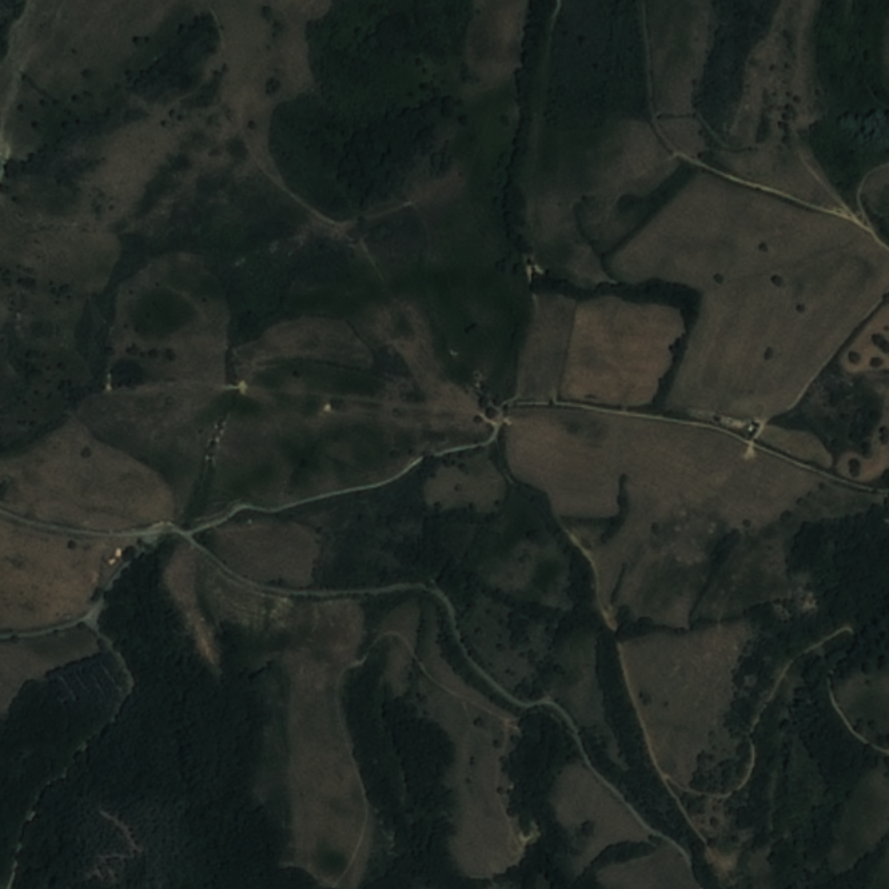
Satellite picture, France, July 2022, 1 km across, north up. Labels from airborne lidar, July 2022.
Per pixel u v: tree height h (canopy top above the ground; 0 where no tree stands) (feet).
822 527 26
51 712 39
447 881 37
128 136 0
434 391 0
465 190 0
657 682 0
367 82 18
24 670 0
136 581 49
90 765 58
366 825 0
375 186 38
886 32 0
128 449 0
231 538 0
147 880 44
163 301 0
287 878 35
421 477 21
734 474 0
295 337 0
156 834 57
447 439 0
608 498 0
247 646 0
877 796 0
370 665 33
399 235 0
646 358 0
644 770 24
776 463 0
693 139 0
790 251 0
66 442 0
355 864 0
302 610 0
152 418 0
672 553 0
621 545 0
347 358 0
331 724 0
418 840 48
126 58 0
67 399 31
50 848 33
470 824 0
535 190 0
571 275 0
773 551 0
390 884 53
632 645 0
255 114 0
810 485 0
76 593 0
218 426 0
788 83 0
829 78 27
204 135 0
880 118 92
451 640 38
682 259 0
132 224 0
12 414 0
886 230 31
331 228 0
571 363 0
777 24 0
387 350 0
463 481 0
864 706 0
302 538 0
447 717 0
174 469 0
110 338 0
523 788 34
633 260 0
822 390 0
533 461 0
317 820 0
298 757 0
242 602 0
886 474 29
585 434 0
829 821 24
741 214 0
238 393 0
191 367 0
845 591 40
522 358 0
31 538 0
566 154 0
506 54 0
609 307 0
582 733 31
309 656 0
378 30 41
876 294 0
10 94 0
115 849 57
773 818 20
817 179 0
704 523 0
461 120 34
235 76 0
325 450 0
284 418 0
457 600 33
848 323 0
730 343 0
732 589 0
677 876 0
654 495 0
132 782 56
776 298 0
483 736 0
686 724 0
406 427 0
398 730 47
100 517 0
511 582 0
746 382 0
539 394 0
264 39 0
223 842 38
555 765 34
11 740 30
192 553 0
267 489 0
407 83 0
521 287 0
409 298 0
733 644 0
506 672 23
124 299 0
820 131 33
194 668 34
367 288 0
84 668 43
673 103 0
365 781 28
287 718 0
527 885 48
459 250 0
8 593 0
